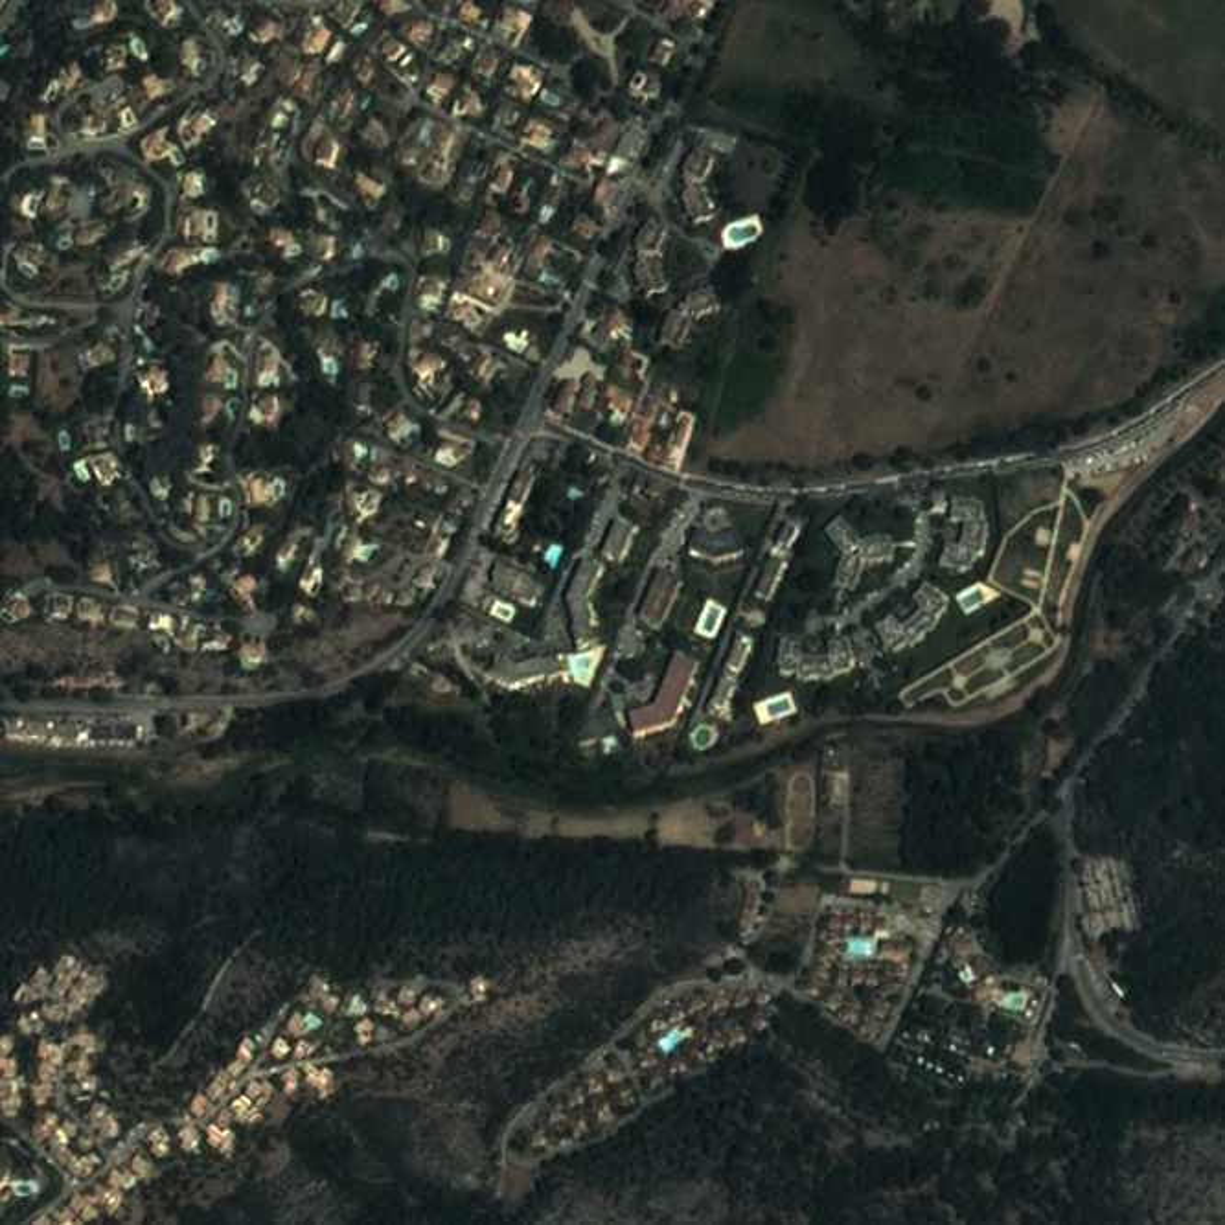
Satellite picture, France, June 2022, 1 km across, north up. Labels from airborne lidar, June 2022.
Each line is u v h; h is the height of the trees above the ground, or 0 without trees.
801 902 0
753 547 10
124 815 15
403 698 0
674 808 0
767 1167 14
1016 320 0
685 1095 7
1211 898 10
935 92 7
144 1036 7
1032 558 0
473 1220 9
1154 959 9
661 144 18
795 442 0
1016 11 0
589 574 0
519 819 0
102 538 17
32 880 10
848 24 6
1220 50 0
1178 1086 9
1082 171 0
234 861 7
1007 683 0
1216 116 0
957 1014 11
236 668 7
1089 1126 17
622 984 9
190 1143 0
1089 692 10
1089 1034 10
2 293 7
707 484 0
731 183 14
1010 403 0
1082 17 0
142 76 13
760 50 0
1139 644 6
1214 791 9
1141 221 0
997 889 9
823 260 0
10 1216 5
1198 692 9
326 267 6
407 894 13
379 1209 9
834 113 7
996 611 0
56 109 7
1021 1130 7
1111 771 10
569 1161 11
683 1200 0
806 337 0
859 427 0
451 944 12
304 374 26
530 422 0
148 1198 8
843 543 0
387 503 9
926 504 8
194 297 8
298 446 24
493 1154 6
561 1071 10
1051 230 0
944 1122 10
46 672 17
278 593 13
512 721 8
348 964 10
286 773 6
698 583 0
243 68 0
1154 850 11
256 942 7
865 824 0
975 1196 15
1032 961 9
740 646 0
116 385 6
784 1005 11
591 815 0
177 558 10
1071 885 0
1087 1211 7
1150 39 0
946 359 0
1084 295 0
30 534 11
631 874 9
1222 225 0
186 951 8
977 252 0
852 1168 11
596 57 6
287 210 10
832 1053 10
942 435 0
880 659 9
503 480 0
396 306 14
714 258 0
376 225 8
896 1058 7
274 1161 0
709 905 8
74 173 10
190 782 0
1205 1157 10
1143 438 0
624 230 7
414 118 10
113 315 7
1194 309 0
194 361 24
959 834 16
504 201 12
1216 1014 11
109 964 11
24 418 0
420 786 7
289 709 11
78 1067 0
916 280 0
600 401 7
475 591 0
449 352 6
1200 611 13
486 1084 7
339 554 11
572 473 11
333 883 8
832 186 9
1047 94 7
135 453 11
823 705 13
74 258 7
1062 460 0
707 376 13
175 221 5
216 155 10
